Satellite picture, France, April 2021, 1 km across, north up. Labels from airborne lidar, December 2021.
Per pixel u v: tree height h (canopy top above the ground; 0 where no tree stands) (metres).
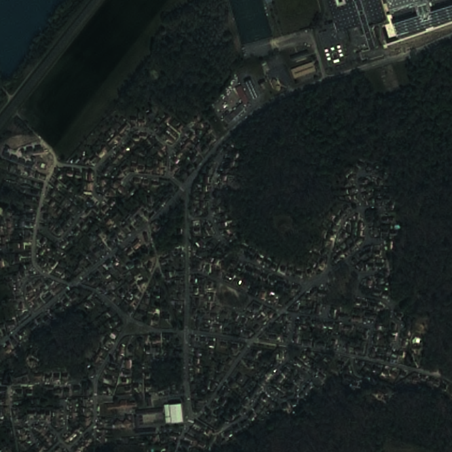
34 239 0
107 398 0
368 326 0
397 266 8
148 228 0
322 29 12
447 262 14
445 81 22
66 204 0
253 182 17
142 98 10
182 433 0
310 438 23
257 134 22
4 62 0
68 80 0
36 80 0
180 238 15
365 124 23
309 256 7
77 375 17
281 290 18
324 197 18
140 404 17
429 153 19
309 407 20
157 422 8
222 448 11
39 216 0
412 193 18
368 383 18
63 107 0
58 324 20
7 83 17
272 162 20
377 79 0
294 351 16
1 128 0
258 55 0
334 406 25
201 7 22
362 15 0
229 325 0
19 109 0
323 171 20
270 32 0
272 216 12
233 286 0
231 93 0
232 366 0
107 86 0
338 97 25
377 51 0
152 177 0
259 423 14
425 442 15
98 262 0
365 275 0
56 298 0
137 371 20
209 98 16
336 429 21
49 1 0
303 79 0
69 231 0
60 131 0
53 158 0
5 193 18
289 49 0
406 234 11
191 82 24
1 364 6
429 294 9
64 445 0
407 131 18
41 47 15
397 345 0
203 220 0
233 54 34
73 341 21
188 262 0
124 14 0
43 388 12
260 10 0
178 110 19
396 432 12
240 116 0
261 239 14
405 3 0
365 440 16
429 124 21
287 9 0
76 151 0
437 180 26
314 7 0
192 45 16
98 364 14
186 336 0
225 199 11
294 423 18
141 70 16
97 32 0
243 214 7
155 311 0
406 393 22
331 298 17
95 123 0
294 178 20
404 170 7
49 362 15
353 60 8
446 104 19
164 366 21
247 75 0
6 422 6
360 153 22
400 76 0
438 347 19
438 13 0
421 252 22
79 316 24
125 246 0
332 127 25
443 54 18
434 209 15
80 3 6
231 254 19
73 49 0
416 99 9
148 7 0
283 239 12
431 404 18
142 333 0
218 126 0
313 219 12
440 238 17
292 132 21
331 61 0
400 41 0
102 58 0
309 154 25
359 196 0
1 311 0
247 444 21
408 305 19
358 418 24
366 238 0
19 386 0
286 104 23
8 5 0
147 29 0
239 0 0
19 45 0
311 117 20
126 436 0
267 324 0
